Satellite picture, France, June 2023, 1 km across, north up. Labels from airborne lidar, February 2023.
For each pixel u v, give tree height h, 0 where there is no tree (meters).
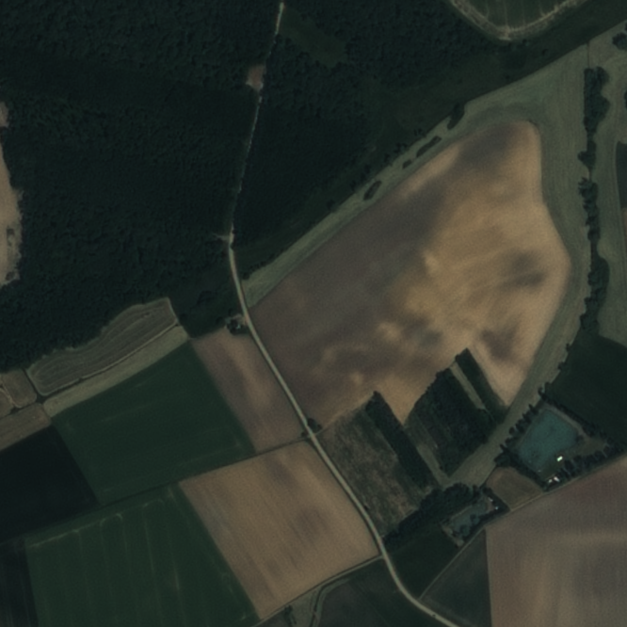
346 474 0
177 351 0
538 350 0
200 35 31
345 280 0
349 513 0
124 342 0
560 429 0
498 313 0
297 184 21
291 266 0
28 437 0
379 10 27
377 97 0
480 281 0
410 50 27
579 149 0
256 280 0
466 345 0
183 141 18
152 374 0
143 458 0
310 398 0
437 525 12
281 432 0
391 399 0
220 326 10
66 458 0
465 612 0
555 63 0
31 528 0
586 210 16
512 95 0
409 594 0
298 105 25
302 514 0
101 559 0
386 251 0
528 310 0
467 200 0
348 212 0
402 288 0
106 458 0
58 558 0
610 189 0
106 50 23
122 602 0
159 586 0
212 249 22
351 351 0
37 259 27
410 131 0
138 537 0
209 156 21
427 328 0
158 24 22
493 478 0
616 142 0
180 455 0
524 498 0
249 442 0
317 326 0
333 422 0
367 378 0
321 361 0
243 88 24
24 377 0
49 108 22
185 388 0
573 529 0
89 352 0
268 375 0
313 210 0
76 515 0
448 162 0
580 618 0
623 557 0
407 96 0
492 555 0
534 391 0
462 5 0
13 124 23
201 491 0
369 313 0
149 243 26
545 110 0
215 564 0
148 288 17
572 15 0
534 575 0
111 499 0
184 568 0
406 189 0
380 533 0
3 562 0
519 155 0
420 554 0
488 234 0
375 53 25
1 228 0
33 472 0
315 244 0
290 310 0
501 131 0
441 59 23
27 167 23
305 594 0
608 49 0
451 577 0
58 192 18
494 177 0
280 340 0
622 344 0
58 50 27
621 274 0
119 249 26
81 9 22
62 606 0
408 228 0
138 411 0
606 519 0
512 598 0
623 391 0
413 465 19
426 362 0
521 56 0
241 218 20
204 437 0
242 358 0
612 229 0
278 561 0
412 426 0
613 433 0
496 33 0
